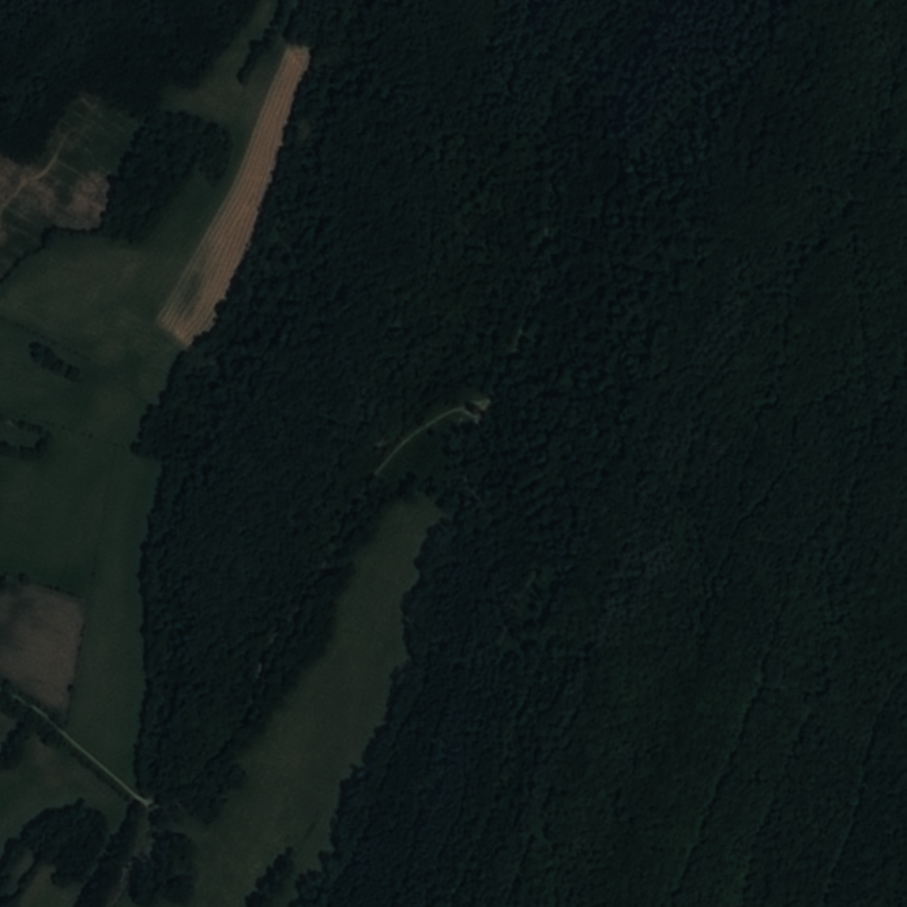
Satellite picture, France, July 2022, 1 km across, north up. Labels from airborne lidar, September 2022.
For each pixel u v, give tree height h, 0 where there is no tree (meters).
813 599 20
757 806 20
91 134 0
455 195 19
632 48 22
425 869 15
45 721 16
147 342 0
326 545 16
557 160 9
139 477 0
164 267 0
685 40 38
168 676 16
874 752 16
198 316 0
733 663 19
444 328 23
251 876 0
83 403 0
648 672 19
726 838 23
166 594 9
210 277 0
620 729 19
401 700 24
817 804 13
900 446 24
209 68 20
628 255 13
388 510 14
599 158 14
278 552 10
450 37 14
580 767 21
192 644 20
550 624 16
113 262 0
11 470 0
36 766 0
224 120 0
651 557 24
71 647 0
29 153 21
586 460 22
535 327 22
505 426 16
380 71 16
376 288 20
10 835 0
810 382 21
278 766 0
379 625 0
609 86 26
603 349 19
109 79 19
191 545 20
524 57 28
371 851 23
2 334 0
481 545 20
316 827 0
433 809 17
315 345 23
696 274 21
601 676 18
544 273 19
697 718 19
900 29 27
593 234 12
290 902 0
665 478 24
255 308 14
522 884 19
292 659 26
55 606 0
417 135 16
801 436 19
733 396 23
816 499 23
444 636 22
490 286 18
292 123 13
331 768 0
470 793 21
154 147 23
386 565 0
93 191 0
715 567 18
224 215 0
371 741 0
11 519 0
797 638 12
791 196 20
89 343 0
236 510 16
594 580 25
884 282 17
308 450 18
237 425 18
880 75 20
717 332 29
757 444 26
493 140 6
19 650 0
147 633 19
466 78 15
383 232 19
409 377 12
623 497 23
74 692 11
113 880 26
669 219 6
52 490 0
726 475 24
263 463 18
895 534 16
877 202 23
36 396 0
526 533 14
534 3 9
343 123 20
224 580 15
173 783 17
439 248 16
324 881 16
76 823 16
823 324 22
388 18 19
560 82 11
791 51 27
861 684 15
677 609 22
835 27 24
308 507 16
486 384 22
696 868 22
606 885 25
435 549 25
